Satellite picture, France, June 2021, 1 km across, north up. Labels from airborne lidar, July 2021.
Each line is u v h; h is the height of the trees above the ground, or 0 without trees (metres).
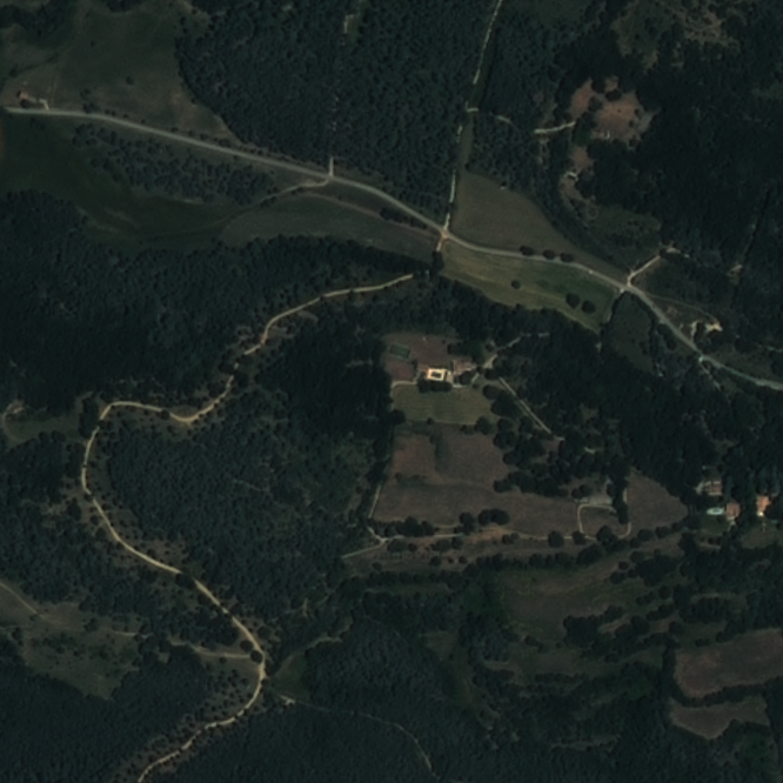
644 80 15
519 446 12
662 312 0
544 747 12
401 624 9
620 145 14
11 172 0
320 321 8
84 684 0
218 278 17
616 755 16
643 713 15
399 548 13
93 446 0
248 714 10
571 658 0
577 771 13
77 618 0
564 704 12
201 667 12
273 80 17
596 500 0
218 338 12
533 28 14
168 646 10
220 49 18
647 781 14
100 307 18
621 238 9
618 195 15
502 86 11
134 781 0
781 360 14
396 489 0
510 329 12
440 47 22
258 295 14
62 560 10
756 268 18
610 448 12
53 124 0
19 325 15
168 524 11
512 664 0
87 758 17
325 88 19
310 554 10
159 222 0
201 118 0
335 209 0
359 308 8
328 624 13
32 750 16
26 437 0
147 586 17
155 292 12
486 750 8
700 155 16
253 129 20
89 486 12
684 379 15
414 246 0
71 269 13
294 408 11
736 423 12
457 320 10
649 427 17
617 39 9
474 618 10
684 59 7
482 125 13
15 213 17
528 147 12
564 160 10
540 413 8
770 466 16
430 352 0
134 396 9
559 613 0
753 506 12
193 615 8
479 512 0
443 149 14
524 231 0
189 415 0
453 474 0
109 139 8
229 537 14
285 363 11
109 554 12
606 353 11
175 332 11
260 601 18
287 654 14
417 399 0
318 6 20
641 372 10
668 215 14
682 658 0
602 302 0
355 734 11
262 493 9
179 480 12
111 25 0
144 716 13
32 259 15
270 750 13
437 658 13
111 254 13
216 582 13
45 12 20
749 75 15
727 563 9
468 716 15
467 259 0
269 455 12
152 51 0
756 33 11
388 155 15
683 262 16
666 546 0
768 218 12
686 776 8
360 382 12
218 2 10
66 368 17
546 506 0
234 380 6
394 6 20
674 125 18
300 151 19
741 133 14
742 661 0
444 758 17
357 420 10
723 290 9
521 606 0
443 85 16
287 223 0
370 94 18
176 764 13
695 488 13
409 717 12
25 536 8
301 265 9
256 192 13
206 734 9
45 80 0
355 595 13
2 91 8
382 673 12
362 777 16
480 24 18
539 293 0
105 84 0
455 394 0
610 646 12
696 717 0
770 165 15
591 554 14
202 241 0
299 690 0
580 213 15
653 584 12
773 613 12
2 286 17
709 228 15
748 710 0
